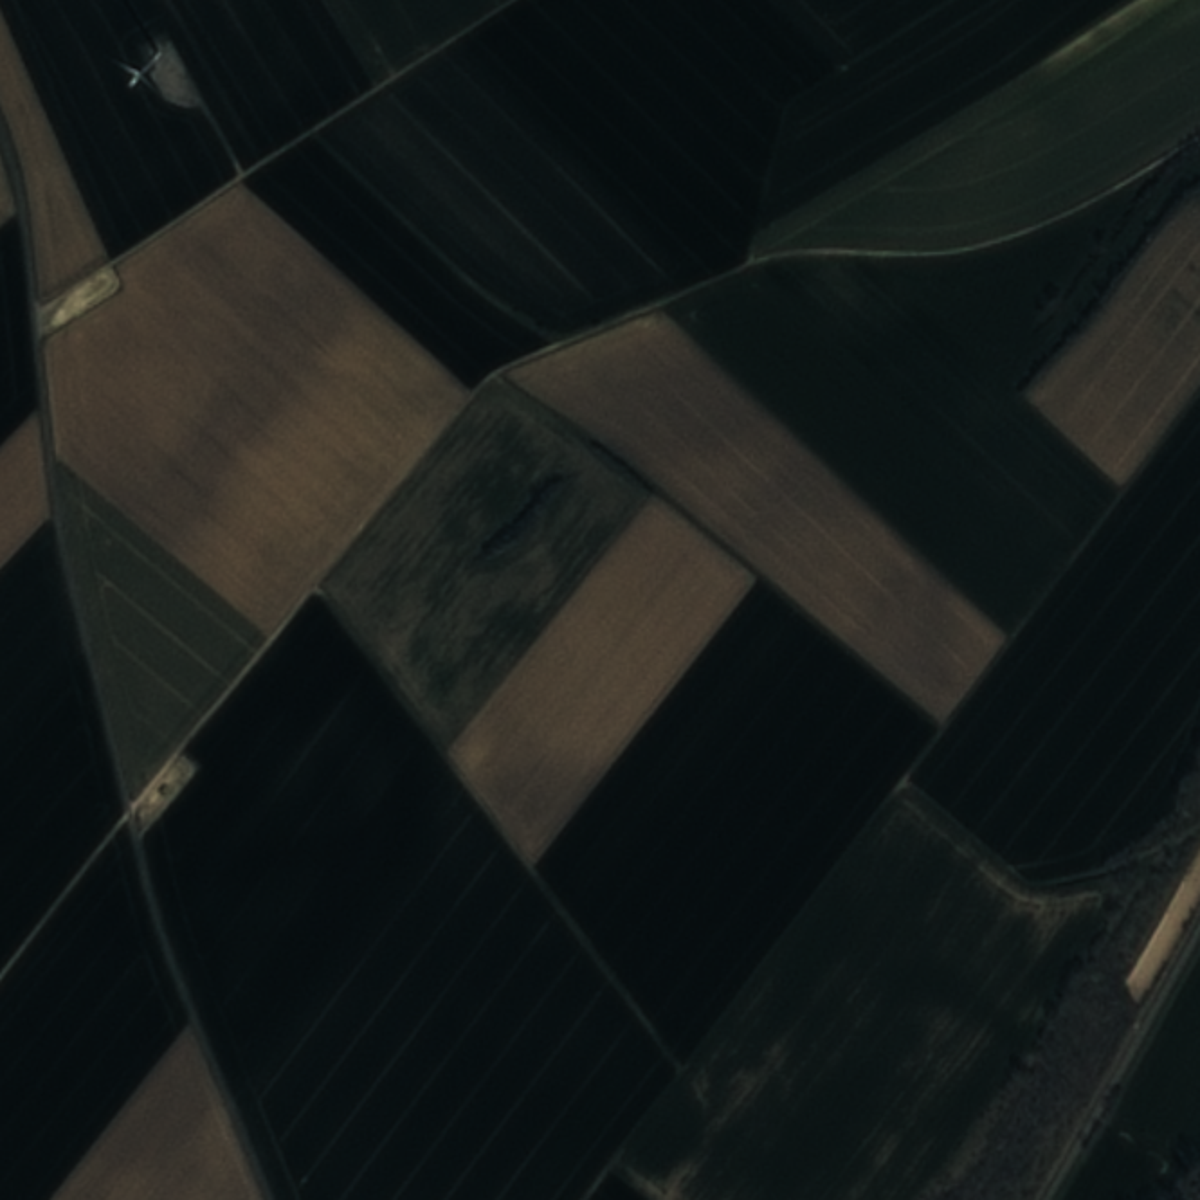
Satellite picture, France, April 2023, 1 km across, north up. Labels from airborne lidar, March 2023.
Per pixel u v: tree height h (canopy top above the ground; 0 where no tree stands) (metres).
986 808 0
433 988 0
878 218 0
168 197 0
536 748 0
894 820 0
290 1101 0
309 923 0
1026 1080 18
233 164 0
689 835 0
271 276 0
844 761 0
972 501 0
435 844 0
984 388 0
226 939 0
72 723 0
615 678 0
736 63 0
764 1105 0
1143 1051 0
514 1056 0
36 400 0
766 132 0
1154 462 0
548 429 0
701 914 0
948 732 0
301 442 0
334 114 0
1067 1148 0
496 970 0
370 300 0
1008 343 0
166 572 0
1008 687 0
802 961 0
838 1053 0
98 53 0
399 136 0
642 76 0
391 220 0
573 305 0
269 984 0
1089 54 0
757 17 0
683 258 0
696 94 0
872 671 0
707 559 0
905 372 0
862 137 0
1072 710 0
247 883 0
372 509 0
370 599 0
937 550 0
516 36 0
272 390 0
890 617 0
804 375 0
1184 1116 0
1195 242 0
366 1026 0
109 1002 0
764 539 0
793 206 0
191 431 0
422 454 0
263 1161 0
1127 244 0
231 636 0
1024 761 0
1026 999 0
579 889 0
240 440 0
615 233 0
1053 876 0
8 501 0
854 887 0
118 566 0
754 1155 0
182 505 0
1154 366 0
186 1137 0
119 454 0
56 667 0
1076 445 0
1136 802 0
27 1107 0
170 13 0
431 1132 0
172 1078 0
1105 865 9
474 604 0
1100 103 0
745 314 0
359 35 0
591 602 0
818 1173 0
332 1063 0
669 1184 0
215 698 0
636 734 0
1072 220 0
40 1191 0
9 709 0
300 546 0
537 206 0
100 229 0
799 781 0
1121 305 0
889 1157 0
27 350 0
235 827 0
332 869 0
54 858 0
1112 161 0
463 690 0
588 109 0
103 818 0
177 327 0
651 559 0
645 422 0
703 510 0
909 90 0
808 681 0
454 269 0
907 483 0
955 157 0
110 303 0
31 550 0
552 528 0
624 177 0
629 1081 0
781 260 0
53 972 0
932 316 0
